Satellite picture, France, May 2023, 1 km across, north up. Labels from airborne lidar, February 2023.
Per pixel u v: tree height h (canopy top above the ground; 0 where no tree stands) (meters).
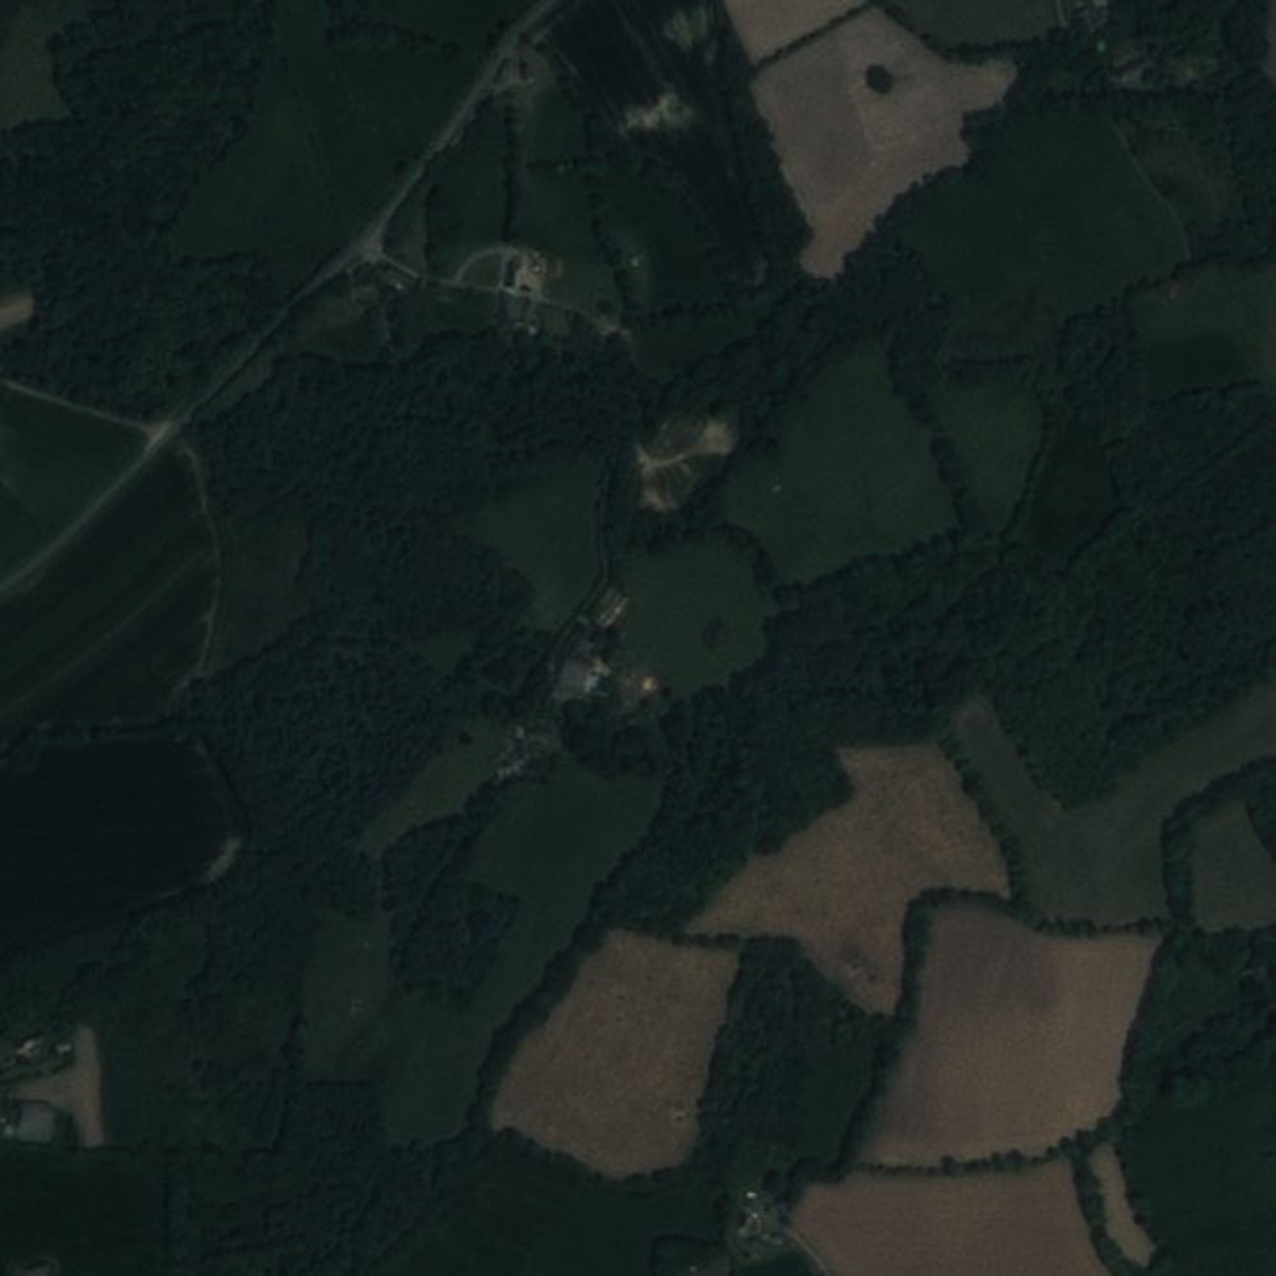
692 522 20
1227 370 0
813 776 16
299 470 15
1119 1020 0
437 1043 0
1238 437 16
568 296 0
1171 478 12
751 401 18
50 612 0
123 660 0
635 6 0
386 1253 10
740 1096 10
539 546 0
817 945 0
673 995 0
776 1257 0
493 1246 0
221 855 0
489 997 0
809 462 0
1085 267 0
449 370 17
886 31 0
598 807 0
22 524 0
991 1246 0
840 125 0
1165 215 0
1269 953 17
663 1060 0
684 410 17
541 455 16
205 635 0
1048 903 0
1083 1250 0
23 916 0
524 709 18
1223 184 0
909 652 17
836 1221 0
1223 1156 0
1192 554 8
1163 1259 13
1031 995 0
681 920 16
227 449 18
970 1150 0
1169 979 18
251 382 0
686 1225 0
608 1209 0
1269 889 0
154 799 0
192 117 12
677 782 22
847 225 0
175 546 0
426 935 16
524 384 16
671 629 0
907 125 0
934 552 12
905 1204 0
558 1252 0
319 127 0
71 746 17
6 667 0
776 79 0
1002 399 0
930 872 0
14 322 0
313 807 14
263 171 0
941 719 17
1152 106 16
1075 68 13
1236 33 28
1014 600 24
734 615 0
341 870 18
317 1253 8
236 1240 8
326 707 14
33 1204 0
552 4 0
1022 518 9
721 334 0
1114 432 12
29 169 14
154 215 16
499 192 0
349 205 0
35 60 0
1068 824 0
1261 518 9
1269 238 12
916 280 15
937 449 13
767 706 20
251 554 0
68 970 0
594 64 0
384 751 16
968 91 0
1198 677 9
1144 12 16
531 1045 0
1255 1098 0
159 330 23
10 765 14
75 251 18
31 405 0
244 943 12
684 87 0
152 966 0
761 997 9
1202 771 0
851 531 0
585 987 0
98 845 0
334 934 0
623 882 19
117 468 0
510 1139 14
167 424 0
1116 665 7
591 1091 0
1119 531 11
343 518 14
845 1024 10
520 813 0
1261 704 0
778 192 14
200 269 14
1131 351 7
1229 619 15
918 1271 0
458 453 16
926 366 18
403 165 8
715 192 0
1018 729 20
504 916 8
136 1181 0
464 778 0
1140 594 8
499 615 19
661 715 0
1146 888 0
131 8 20
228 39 19
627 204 0
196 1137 0
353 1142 14
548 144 0
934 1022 0
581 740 30
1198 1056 20
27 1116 0
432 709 21
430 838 17
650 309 0
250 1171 9
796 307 15
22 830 0
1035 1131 0
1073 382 7
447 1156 14
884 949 0
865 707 23
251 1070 0
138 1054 0
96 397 9
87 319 15
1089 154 0
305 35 0
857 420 0
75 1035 0
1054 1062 0
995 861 0
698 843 23
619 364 17
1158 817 0
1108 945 0
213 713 8
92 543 0
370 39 21
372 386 20
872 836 0
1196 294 0
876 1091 10
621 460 12
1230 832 0
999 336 0
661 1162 0
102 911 0
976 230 0
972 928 0
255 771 18
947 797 0
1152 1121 0
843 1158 12
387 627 15
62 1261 0
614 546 13
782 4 0
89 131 18
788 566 0
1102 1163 0
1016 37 0
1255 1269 0
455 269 0
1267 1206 0
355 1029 0
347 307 0
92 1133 0
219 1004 9
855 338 17
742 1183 0
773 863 0
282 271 0
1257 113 10
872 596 19
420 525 15
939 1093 0
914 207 12
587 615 6
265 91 0
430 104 0
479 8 0
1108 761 20
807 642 32
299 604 0
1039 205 0
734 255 0
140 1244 0
